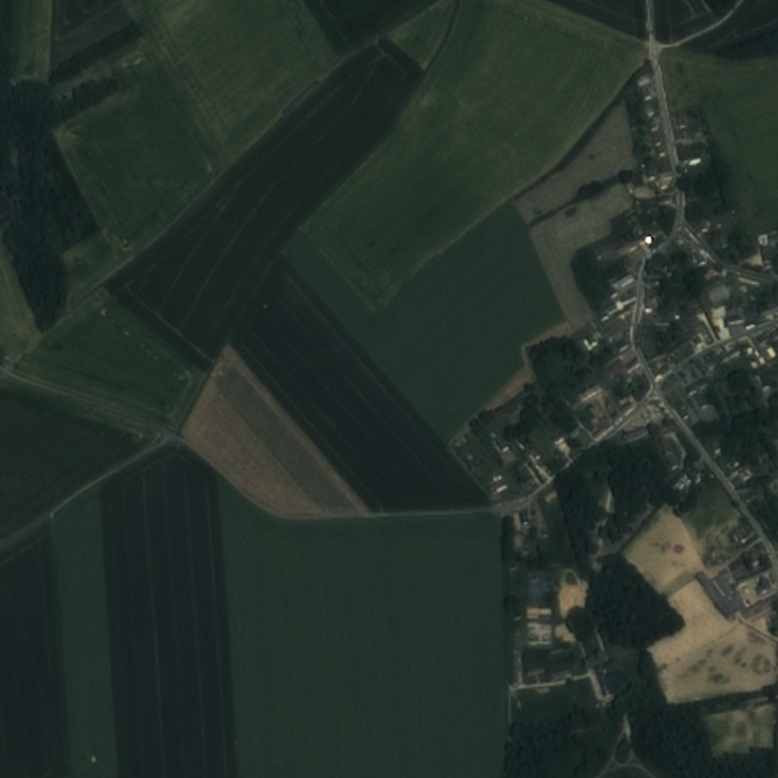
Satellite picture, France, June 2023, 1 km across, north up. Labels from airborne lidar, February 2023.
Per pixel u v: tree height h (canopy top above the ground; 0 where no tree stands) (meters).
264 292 0
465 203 0
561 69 0
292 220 0
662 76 0
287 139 0
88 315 0
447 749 0
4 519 0
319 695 0
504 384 0
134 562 0
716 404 8
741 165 0
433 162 0
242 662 0
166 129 0
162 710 0
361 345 0
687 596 0
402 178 0
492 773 0
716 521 0
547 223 0
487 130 0
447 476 0
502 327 0
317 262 0
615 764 0
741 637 0
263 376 0
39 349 0
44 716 0
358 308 0
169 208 0
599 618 29
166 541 0
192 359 0
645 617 23
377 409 0
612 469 15
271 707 0
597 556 25
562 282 0
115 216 0
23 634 0
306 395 0
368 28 0
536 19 0
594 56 0
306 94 0
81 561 0
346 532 0
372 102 0
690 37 0
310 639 0
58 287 14
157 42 0
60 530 0
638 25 0
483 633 0
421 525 0
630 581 26
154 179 0
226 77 0
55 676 0
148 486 0
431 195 0
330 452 0
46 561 0
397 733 0
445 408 0
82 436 0
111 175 0
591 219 0
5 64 17
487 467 0
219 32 0
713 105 0
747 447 12
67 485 0
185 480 0
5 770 0
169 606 0
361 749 0
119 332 0
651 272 14
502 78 0
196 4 0
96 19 0
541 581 0
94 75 0
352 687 0
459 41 0
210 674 0
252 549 0
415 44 0
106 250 0
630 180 9
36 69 0
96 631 0
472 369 0
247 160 0
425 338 0
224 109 0
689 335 0
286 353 0
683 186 15
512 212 0
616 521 7
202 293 0
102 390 0
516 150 0
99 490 0
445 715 0
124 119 0
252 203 0
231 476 0
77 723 0
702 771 28
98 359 0
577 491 14
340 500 0
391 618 0
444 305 0
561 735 13
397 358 0
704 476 10
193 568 0
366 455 0
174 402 0
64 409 0
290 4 0
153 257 0
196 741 0
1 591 0
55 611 0
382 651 0
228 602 0
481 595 0
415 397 0
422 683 0
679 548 0
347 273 0
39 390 0
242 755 0
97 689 0
